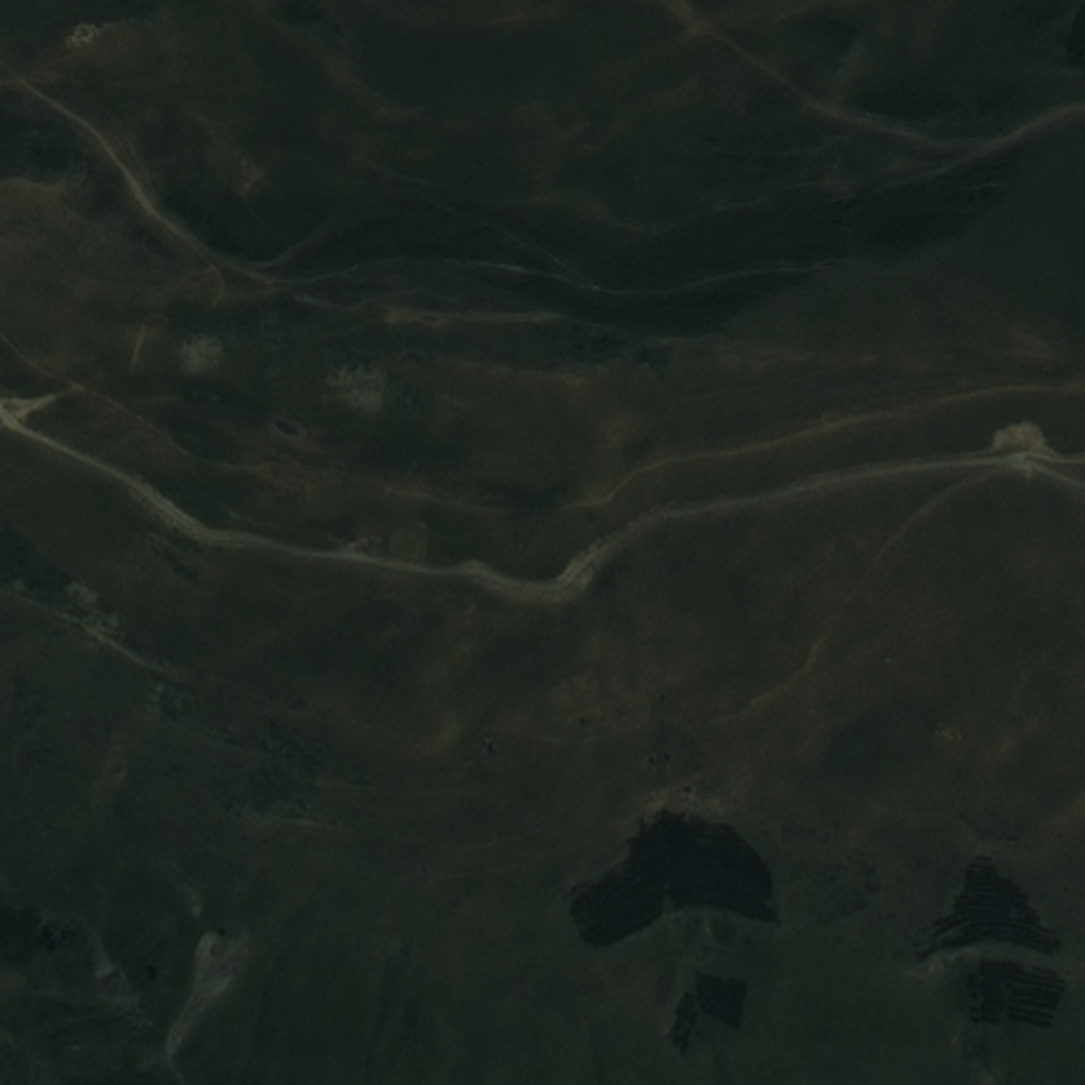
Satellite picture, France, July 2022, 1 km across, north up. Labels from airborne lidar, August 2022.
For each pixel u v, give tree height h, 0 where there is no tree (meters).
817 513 0
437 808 0
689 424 0
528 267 0
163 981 0
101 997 0
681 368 0
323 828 0
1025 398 0
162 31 0
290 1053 0
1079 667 0
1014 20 0
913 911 0
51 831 0
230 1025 0
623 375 0
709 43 0
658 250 0
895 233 0
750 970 0
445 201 0
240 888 0
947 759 0
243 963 0
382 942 0
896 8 0
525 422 0
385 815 0
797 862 0
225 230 0
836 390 0
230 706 0
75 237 0
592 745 0
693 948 0
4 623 0
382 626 0
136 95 0
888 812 0
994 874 6
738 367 0
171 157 0
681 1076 0
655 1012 0
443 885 0
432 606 0
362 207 0
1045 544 0
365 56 0
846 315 0
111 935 0
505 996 0
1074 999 0
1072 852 0
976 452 0
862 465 0
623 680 0
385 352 0
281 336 0
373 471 0
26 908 0
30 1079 0
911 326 0
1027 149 0
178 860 0
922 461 0
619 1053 0
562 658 0
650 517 0
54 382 0
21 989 0
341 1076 0
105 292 0
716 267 0
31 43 0
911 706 0
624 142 0
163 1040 0
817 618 0
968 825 0
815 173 0
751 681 0
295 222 0
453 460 0
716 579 0
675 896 8
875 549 0
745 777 0
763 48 0
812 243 0
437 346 0
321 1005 0
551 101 0
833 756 0
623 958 0
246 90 0
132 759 0
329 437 0
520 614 0
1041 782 0
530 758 0
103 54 0
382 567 0
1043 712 0
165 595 0
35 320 0
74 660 0
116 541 0
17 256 0
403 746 0
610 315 0
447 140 0
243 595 0
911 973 0
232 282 0
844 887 0
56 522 0
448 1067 0
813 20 0
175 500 0
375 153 0
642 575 0
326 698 0
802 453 0
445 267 0
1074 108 0
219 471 0
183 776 0
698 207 0
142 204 0
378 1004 0
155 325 0
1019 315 0
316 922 0
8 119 0
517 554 0
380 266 0
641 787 0
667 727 0
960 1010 0
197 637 0
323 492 0
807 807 0
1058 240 0
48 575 0
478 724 0
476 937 0
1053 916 0
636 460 0
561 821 0
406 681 0
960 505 0
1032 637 0
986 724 0
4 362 0
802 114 0
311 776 0
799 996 0
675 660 0
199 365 0
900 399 0
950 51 0
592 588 0
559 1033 0
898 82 0
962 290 0
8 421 0
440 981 0
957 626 0
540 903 0
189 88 0
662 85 0
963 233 0
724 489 0
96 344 0
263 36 0
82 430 0
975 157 0
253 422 0
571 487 0
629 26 0
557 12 0
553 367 0
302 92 0
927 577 0
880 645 0
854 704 0
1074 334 0
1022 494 0
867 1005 0
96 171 0
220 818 0
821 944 0
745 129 0
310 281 0
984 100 0
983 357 0
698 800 0
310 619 0
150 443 0
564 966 0
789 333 0
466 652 0
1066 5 0
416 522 0
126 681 0
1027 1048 0
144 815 0
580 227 0
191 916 0
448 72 0
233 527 0
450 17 0
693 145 0
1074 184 0
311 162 0
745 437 0
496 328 0
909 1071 0
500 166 0
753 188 0
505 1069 0
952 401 0
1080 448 0
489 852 0
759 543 0
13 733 0
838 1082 0
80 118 0
